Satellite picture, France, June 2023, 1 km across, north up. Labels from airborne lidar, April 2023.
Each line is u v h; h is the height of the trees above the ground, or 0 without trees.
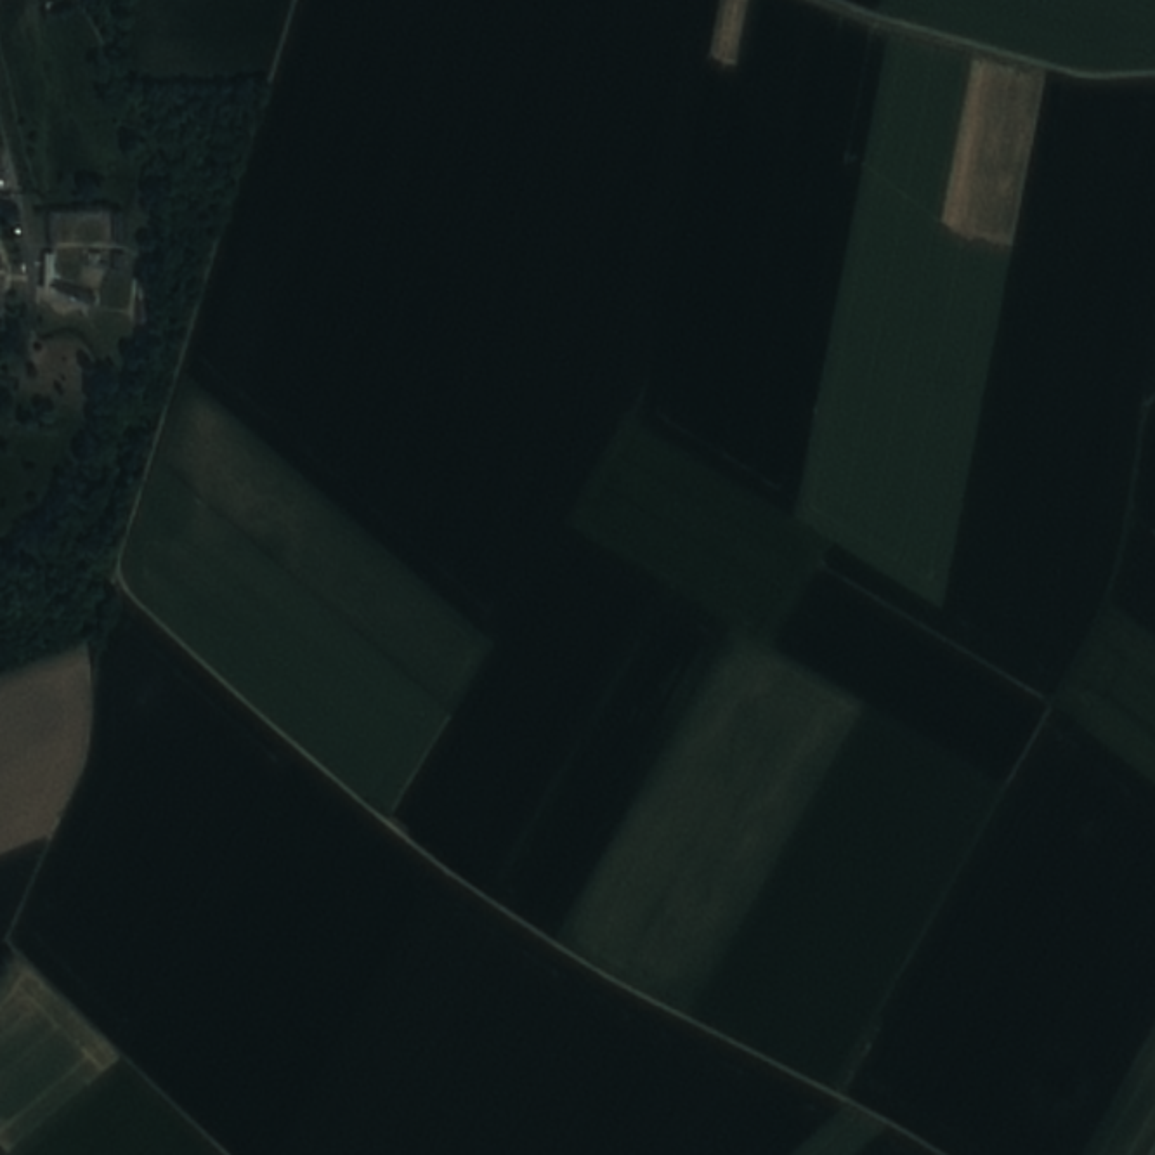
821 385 0
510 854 0
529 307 0
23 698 0
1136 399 0
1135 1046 0
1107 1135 0
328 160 0
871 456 0
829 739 0
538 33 0
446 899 0
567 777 0
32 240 0
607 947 0
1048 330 0
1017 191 0
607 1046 0
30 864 0
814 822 0
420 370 0
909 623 0
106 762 0
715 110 0
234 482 0
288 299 0
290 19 0
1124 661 0
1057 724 0
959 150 0
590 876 0
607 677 0
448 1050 0
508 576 0
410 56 0
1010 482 0
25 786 0
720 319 0
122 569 0
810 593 0
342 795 0
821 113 0
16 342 19
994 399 0
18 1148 0
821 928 0
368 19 0
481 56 0
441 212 0
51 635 18
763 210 0
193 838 0
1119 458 0
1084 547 0
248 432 0
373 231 0
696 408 0
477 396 0
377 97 0
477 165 0
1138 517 0
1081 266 0
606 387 0
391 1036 0
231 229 0
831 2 0
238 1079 0
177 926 0
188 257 17
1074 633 0
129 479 16
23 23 0
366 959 0
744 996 0
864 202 0
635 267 0
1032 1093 0
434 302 0
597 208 0
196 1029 0
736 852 0
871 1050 0
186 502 0
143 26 0
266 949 0
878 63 0
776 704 0
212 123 20
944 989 0
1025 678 0
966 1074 0
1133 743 0
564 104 0
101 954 0
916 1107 0
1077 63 0
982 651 0
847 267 0
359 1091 0
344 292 0
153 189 23
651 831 0
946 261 0
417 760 0
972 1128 0
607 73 0
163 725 0
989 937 0
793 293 0
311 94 0
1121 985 0
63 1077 0
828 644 0
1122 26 0
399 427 0
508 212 0
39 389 0
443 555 0
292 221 0
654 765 0
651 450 0
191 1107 0
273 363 0
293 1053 0
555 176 0
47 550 22
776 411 0
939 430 0
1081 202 0
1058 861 0
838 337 0
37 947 0
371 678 0
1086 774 0
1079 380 0
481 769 0
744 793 0
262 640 0
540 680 0
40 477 0
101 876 0
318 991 0
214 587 0
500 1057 0
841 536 0
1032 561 0
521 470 0
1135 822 0
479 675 0
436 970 0
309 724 0
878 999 0
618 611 0
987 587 0
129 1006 0
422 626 0
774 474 0
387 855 0
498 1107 0
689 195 0
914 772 0
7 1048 0
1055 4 0
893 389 0
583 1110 0
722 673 0
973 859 0
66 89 0
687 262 0
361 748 0
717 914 0
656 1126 0
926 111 0
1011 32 0
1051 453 0
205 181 21
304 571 0
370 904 0
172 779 0
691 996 0
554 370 0
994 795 0
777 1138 0
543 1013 0
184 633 0
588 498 0
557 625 0
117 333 0
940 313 0
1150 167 0
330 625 0
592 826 0
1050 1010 0
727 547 0
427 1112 0
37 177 0
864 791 0
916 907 0
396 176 0
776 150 0
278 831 0
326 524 0
